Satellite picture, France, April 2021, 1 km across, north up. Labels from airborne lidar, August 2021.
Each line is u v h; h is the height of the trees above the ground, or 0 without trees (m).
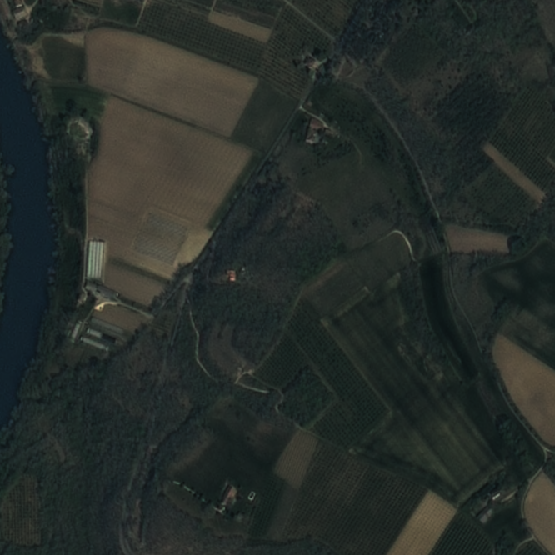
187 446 16
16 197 0
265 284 10
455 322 0
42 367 29
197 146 0
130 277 0
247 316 16
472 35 17
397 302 0
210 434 15
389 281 0
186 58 0
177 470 0
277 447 0
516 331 0
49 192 16
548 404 0
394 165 23
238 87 0
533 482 0
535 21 12
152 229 0
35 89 21
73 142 11
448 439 0
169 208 0
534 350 0
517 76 12
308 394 16
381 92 16
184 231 0
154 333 12
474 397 0
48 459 10
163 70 0
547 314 0
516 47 11
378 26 20
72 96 0
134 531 10
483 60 11
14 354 0
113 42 0
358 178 0
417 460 0
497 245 0
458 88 9
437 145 12
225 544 15
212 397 20
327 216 12
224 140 0
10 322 0
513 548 9
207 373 11
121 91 0
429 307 0
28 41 17
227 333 0
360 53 18
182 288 12
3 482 13
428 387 0
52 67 0
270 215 12
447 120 10
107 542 18
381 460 0
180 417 12
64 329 20
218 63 0
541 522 0
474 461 0
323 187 0
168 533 15
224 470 0
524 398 0
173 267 0
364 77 0
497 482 6
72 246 5
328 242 18
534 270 0
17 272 0
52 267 7
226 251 16
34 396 32
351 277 0
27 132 0
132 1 0
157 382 9
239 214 15
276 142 0
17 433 22
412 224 6
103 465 24
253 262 14
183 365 21
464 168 8
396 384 0
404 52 7
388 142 25
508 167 0
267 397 8
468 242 0
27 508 6
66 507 20
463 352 0
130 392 15
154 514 11
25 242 0
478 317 0
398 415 0
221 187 0
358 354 0
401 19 14
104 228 0
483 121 10
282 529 0
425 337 11
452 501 0
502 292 0
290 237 13
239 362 0
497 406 0
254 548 15
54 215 18
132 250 0
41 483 15
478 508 7
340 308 0
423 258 0
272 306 9
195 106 0
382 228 0
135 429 15
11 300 0
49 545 8
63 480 16
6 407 0
